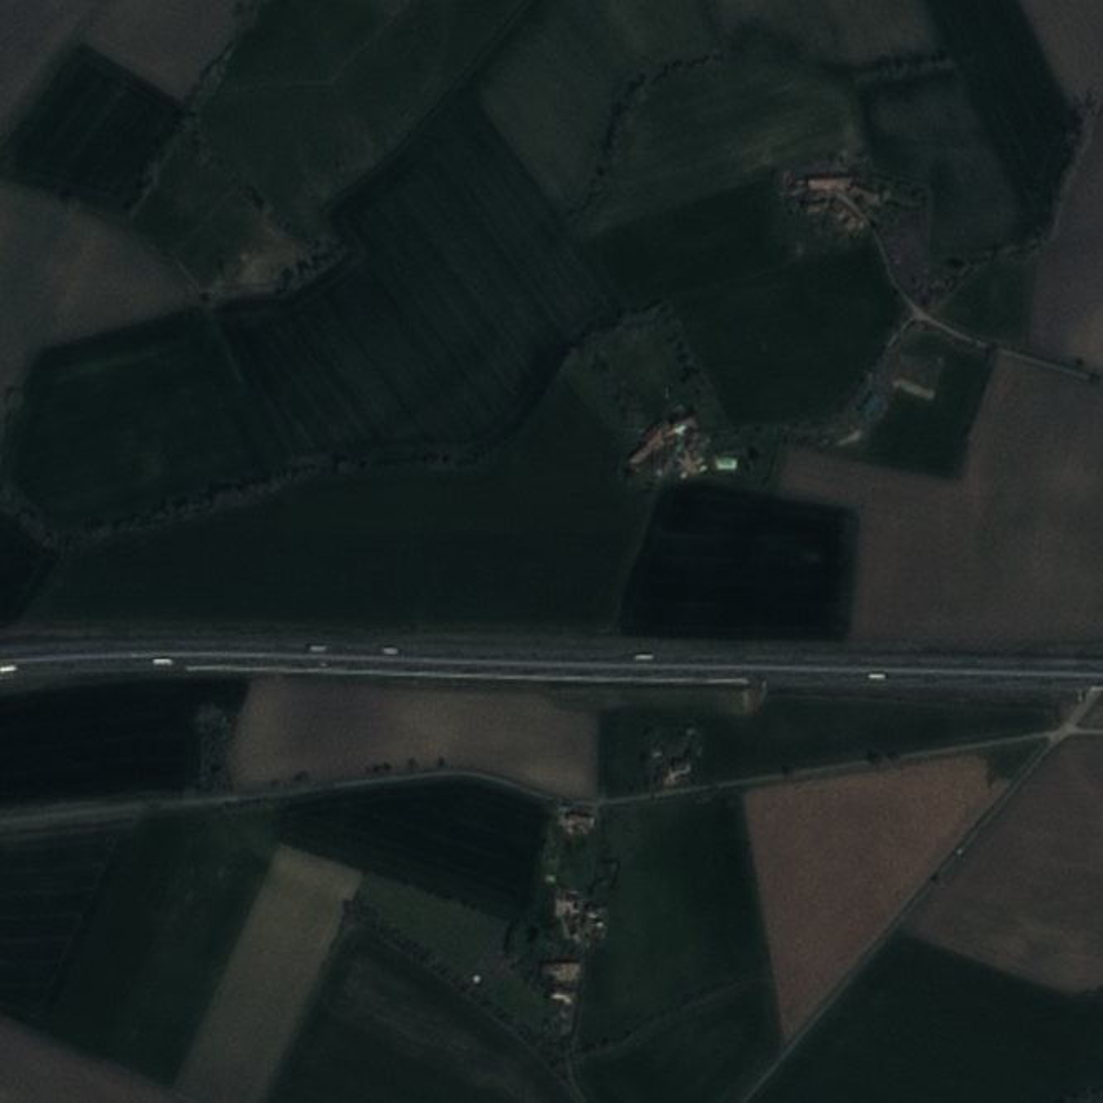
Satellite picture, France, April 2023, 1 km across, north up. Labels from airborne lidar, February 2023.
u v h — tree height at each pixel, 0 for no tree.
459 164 0
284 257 0
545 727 0
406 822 0
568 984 6
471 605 0
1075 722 0
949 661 0
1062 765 0
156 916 0
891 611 0
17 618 0
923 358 0
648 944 0
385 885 0
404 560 0
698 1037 0
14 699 0
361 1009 0
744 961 0
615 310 0
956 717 0
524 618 0
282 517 0
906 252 0
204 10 0
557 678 0
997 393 0
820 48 0
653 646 0
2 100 0
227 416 0
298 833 0
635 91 10
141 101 0
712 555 0
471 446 0
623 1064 0
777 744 0
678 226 0
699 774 0
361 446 0
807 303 0
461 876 0
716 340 0
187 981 0
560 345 0
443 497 0
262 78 0
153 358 0
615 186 0
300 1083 0
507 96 0
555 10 0
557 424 0
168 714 0
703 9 0
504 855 0
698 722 0
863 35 0
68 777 0
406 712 0
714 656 0
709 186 0
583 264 0
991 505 0
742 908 0
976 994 0
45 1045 0
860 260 0
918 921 0
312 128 0
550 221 0
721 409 0
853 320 0
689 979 0
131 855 0
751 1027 0
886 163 0
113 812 0
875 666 0
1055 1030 0
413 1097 0
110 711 0
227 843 0
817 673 0
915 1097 0
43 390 0
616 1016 0
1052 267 0
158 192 0
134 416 0
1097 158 0
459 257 0
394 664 0
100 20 0
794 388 0
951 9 0
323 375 0
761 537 0
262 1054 0
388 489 0
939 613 0
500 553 0
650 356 0
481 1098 0
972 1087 0
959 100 0
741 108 0
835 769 0
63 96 0
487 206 0
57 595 0
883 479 0
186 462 0
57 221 0
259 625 0
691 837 0
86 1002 0
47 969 0
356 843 0
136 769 0
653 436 0
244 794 0
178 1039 0
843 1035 0
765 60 0
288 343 0
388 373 0
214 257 0
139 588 0
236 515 0
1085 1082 0
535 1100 0
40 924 0
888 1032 0
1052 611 0
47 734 0
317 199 0
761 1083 0
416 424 0
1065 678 0
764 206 0
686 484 0
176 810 0
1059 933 0
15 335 0
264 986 0
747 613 0
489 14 0
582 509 0
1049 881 0
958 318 0
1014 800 0
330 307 0
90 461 0
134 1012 0
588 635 0
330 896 0
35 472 0
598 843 0
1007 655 0
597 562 0
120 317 0
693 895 0
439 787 0
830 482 0
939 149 0
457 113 0
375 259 0
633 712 0
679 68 7
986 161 0
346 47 0
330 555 0
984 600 0
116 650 0
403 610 0
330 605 0
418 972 0
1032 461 0
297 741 0
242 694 0
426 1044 0
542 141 0
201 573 0
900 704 0
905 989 0
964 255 0
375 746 0
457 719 0
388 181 0
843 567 0
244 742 0
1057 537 0
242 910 0
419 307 0
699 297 0
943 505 0
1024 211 0
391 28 0
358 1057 0
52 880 0
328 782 0
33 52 0
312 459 0
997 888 0
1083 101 0
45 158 0
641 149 0
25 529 13
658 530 0
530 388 0
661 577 0
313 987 0
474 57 0
